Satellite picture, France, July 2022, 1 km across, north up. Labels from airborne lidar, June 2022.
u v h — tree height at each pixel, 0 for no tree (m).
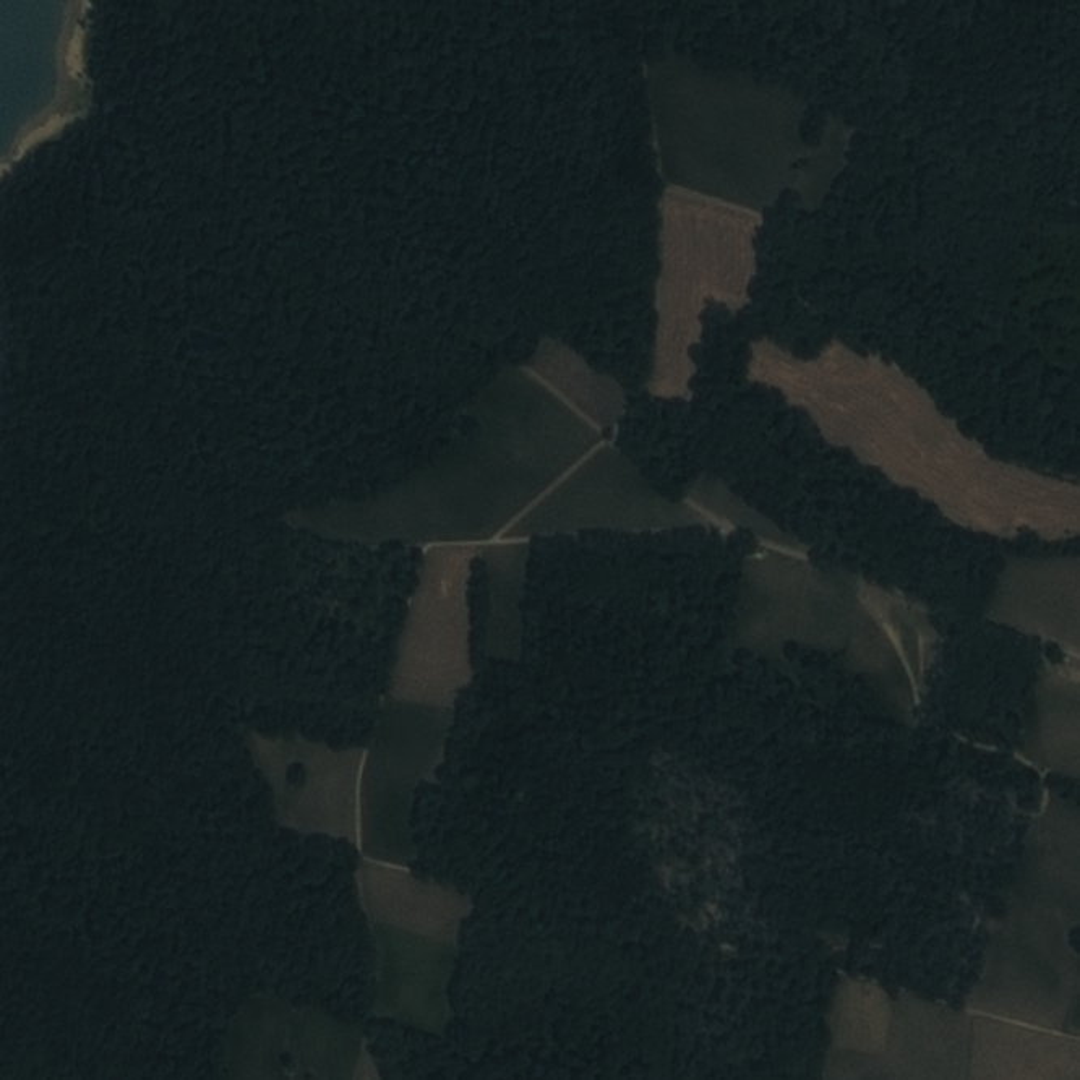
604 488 0
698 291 0
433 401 23
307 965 24
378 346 23
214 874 26
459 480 0
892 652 0
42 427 24
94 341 26
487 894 18
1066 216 9
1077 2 12
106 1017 23
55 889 33
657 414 19
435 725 0
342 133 32
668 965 23
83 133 23
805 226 24
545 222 22
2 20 0
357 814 0
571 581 26
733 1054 29
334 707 20
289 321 26
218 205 27
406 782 0
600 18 21
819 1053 18
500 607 0
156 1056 21
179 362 27
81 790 24
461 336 22
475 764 22
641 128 21
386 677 20
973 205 24
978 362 29
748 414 25
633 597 30
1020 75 24
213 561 25
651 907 22
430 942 0
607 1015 33
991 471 0
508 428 0
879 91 21
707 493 0
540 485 0
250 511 21
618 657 28
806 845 19
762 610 0
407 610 13
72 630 27
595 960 26
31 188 23
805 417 25
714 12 25
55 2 0
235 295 29
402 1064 21
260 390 24
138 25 19
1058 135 22
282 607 28
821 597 0
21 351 21
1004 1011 0
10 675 26
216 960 24
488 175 26
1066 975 0
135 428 28
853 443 0
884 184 16
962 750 11
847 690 10
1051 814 0
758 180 0
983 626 21
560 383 0
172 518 28
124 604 30
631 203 25
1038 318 10
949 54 15
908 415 0
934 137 23
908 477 0
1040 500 0
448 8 25
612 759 24
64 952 24
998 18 19
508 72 30
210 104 23
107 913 27
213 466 23
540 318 25
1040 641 15
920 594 13
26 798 13
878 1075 0
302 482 28
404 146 25
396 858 0
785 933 23
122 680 24
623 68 22
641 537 11
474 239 23
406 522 0
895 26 26
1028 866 14
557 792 23
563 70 25
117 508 29
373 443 27
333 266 18
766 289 22
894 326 20
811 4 24
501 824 29
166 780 30
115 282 30
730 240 0
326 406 31
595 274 27
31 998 26
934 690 22
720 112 0
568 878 19
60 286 26
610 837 19
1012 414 19
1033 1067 0
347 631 20
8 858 18
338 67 27
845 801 13
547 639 20
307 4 27
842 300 24
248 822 23
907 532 19
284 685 23
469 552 0
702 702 21
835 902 22
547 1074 31
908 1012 0
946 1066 0
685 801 22
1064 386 36
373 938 15
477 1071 33
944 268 26
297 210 27
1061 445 25
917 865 16
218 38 22
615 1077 9
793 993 22
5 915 16
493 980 25
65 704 30
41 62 0
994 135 25
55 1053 26
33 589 29
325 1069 0
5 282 18
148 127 30
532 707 29
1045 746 0
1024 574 0
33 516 26
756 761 15
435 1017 0
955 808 22
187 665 26
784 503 14
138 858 28
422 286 24
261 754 0
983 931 11
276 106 31
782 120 0
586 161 22
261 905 29
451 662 0
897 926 21
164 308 27
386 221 24
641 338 23
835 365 0
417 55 28
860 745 15
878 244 28
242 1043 0
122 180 29
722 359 23
